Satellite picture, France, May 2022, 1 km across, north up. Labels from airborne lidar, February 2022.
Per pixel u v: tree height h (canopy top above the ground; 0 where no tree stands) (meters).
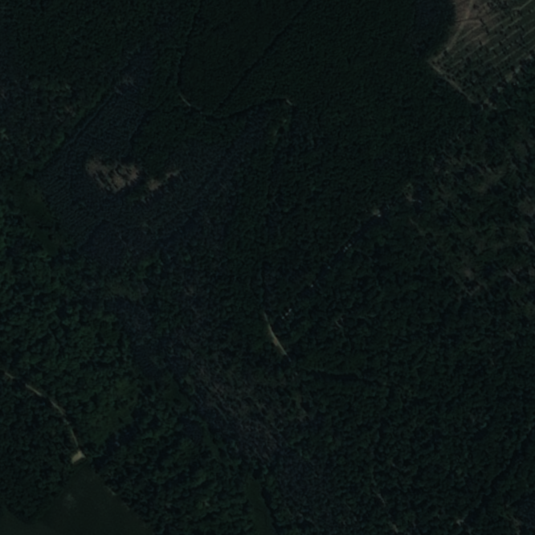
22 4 26
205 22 19
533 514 30
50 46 27
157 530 28
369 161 25
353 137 23
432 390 33
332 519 33
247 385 31
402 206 35
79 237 16
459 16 0
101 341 29
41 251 34
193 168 30
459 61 0
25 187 0
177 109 25
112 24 28
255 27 14
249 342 27
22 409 38
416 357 33
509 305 30
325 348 30
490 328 30
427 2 24
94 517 0
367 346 31
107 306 31
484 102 0
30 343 36
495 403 23
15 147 32
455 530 27
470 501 32
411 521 10
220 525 22
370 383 25
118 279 27
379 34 19
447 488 24
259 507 0
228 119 21
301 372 28
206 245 28
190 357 29
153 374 23
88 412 40
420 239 31
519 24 0
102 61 27
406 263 23
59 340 33
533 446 32
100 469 35
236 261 28
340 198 24
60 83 30
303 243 26
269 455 40
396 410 30
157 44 25
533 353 26
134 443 34
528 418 29
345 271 35
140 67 22
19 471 27
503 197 29
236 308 29
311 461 35
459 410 28
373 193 24
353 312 34
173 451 31
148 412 36
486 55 23
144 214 33
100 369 33
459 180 22
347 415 32
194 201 37
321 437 35
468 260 0
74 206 18
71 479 0
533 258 29
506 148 28
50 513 0
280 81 22
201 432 27
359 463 29
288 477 33
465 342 32
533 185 0
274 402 26
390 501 30
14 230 32
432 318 32
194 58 13
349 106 24
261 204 26
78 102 33
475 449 32
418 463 28
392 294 33
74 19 28
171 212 33
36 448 36
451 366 28
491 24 0
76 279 40
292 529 36
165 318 33
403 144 18
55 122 29
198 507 37
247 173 28
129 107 19
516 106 26
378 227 28
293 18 18
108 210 34
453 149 26
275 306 13
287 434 28
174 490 35
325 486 31
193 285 30
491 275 31
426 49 22
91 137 14
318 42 23
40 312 34
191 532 11
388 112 25
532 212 0
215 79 16
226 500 35
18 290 31
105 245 27
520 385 27
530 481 31
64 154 17
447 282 19
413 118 21
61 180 19
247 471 24
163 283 31
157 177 26
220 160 35
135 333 27
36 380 38
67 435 37
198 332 27
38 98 27
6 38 29
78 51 26
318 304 30
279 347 0
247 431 34
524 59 0
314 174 23
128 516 0
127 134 17
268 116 27
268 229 27
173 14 27
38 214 0
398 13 20
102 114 16
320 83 22
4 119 30
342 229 25
